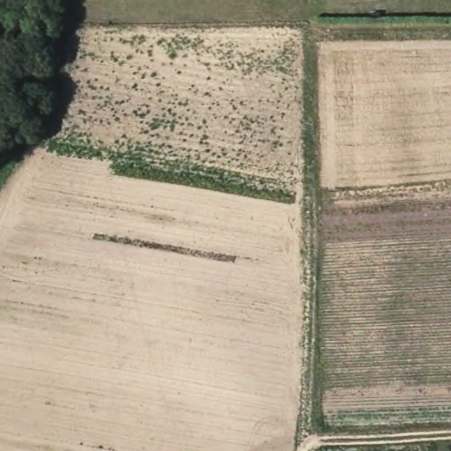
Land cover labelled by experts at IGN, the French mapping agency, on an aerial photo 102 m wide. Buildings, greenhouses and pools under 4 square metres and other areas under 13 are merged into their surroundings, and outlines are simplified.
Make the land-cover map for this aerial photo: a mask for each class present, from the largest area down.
<instances>
[{"label":"agricultural land","instance_id":"1","mask_svg":"<svg viewBox=\"0 0 451 451\"><path fill-rule=\"evenodd\" d=\"M79 48L76 60L65 65V72L76 81L78 88L74 100L70 102L67 116L63 118L60 132H56L51 139H46L41 148H35L32 155L26 157L21 166L14 171L4 189L0 190V451H289L292 446H301V442L310 435L322 433L363 435L451 428V41H336L319 44L317 69L321 125V185L326 187V190L322 196L324 203L317 204L315 197L307 196L303 192L301 30L257 26L208 30H159L148 26H136L129 30L115 26L81 28L78 30Z\"/></svg>","mask_w":451,"mask_h":451},{"label":"herbaceous vegetation","instance_id":"2","mask_svg":"<svg viewBox=\"0 0 451 451\"><path fill-rule=\"evenodd\" d=\"M60 4L65 7L62 21L55 25L51 37L48 35L41 41L42 46L48 48L51 69V76L46 78L41 88L51 93V111L48 118L33 130V136H26L23 139L18 129L9 127L5 130L0 148V190L4 189L14 171L21 166L26 157L32 155L35 148H41L46 139H51L56 132H60L63 118L67 116L70 102L74 100L78 88L76 81L65 72V65L76 60L79 48L78 30L81 28L115 26L129 30L136 26H148L159 30H208L257 26L301 30L303 192L307 196L315 197L317 204L324 203L322 196L326 190V187L321 185V125L317 69L319 44L336 41H451V0H60ZM430 442H407L379 446H321L314 451H428Z\"/></svg>","mask_w":451,"mask_h":451},{"label":"coniferous trees","instance_id":"3","mask_svg":"<svg viewBox=\"0 0 451 451\"><path fill-rule=\"evenodd\" d=\"M42 11L35 16V25L28 32H21V28H7L0 23V148L5 130L9 127L18 129L23 139L26 136H33V130L48 118L51 111V93L41 88L46 78L51 76V69L48 48L42 46L41 41L48 35L51 37L55 25L62 21L65 7L60 4V0H41Z\"/></svg>","mask_w":451,"mask_h":451},{"label":"pervious surface","instance_id":"4","mask_svg":"<svg viewBox=\"0 0 451 451\"><path fill-rule=\"evenodd\" d=\"M407 442H430L428 451H451V428L363 435L322 433L310 435L301 442V446H292L289 451H314L321 446H379Z\"/></svg>","mask_w":451,"mask_h":451},{"label":"brushwood","instance_id":"5","mask_svg":"<svg viewBox=\"0 0 451 451\"><path fill-rule=\"evenodd\" d=\"M42 11L41 0H0V23L7 28H21V32H28L35 25V16Z\"/></svg>","mask_w":451,"mask_h":451}]
</instances>
